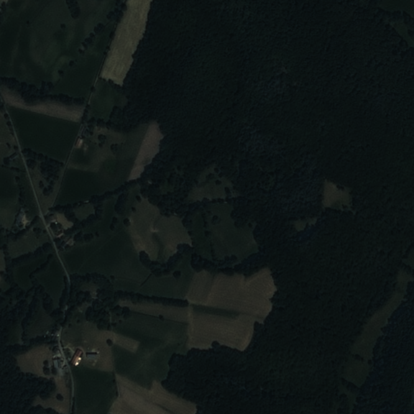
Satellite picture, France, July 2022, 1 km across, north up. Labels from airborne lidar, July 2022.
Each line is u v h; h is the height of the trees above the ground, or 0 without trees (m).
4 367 14
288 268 20
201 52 14
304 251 19
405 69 27
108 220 0
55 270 0
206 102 14
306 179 18
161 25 22
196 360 25
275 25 26
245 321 0
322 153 20
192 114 19
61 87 0
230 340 0
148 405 0
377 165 24
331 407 18
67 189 0
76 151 0
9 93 0
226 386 36
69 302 17
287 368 9
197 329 0
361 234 22
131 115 22
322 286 24
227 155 19
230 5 15
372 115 20
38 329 0
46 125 0
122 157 0
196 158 24
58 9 0
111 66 0
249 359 18
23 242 0
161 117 20
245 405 27
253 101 13
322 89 18
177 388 21
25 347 14
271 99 20
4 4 11
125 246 0
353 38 24
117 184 0
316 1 30
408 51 34
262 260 25
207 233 15
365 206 21
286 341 24
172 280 0
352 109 23
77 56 0
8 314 19
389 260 20
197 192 0
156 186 21
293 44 25
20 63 0
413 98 30
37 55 0
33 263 0
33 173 0
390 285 19
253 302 0
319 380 20
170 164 20
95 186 0
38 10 0
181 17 17
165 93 20
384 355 11
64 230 8
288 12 32
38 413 17
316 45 21
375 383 24
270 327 26
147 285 0
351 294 20
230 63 24
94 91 12
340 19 30
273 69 10
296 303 23
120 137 0
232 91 29
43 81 0
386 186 22
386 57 29
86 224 18
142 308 0
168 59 23
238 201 17
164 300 16
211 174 5
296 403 22
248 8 15
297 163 18
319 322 21
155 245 0
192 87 17
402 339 16
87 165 0
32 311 20
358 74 27
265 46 17
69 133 0
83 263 0
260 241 22
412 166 24
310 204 22
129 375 0
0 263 0
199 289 0
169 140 21
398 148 21
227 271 16
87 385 0
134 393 0
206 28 22
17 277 0
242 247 0
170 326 0
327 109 18
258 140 20
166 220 0
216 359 26
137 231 0
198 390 23
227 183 0
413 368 20
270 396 19
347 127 24
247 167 24
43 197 0
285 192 17
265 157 18
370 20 29
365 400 18
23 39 0
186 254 12
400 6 0
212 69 12
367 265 20
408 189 23
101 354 0
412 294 19
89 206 0
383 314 0
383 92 23
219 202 13
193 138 22
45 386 17
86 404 0
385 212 22
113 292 18
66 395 0
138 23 0
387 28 29
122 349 0
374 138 22
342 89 26
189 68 17
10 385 23
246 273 13
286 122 24
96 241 0
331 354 19
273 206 23
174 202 21
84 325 0
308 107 22
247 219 19
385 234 23
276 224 23
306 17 29
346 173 22
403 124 23
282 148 19
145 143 0
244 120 13
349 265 19
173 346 0
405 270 17
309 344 24
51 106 0
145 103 27
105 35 0
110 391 0
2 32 0
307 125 22
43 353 0
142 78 19
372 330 0
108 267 0
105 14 0
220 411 27
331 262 24
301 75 13
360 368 0
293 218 27
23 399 11
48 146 0
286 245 29
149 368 0
